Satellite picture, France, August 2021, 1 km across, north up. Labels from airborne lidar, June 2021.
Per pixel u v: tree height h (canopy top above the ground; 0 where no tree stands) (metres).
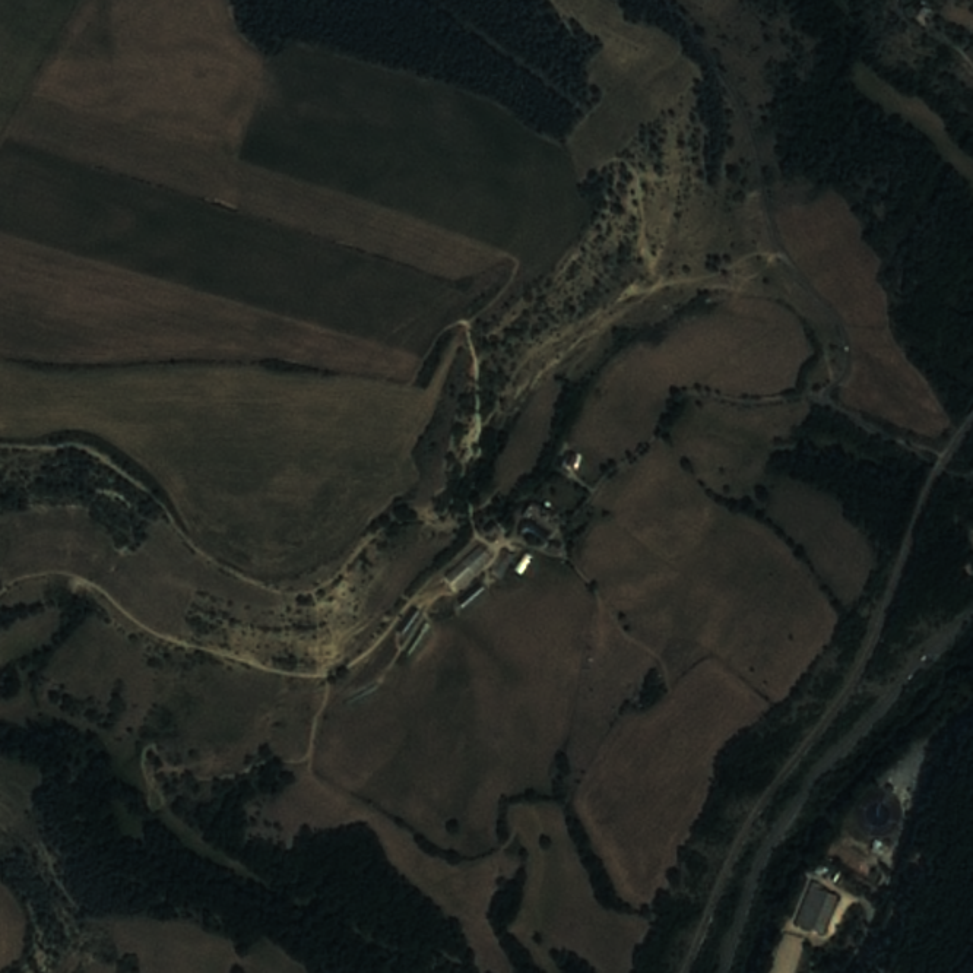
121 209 0
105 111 0
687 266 6
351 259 0
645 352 0
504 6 15
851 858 0
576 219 0
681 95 0
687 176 0
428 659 0
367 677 0
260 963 0
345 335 0
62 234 0
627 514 0
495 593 0
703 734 0
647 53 0
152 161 0
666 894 11
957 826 16
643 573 0
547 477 9
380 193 0
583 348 0
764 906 8
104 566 0
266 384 0
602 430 0
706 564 0
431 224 0
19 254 0
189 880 13
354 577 0
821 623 0
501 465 0
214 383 0
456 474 8
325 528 0
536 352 0
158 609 0
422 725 0
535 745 0
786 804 8
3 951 0
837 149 8
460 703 0
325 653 0
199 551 0
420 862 0
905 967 14
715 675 0
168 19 0
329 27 12
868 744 19
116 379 0
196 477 0
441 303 0
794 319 0
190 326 0
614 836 0
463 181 0
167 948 0
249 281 0
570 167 0
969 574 12
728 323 0
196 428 0
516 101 7
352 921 15
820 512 0
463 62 11
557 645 0
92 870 18
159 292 0
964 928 14
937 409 0
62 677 0
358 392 0
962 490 13
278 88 0
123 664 0
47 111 0
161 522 0
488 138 0
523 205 0
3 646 0
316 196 0
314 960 16
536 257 0
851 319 0
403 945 16
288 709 0
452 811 0
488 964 0
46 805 14
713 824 16
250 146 0
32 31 0
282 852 11
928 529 14
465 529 9
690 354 0
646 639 0
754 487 0
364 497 0
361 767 0
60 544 0
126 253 0
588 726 0
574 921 0
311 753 0
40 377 0
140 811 25
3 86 0
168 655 7
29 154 0
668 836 0
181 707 0
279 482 0
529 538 11
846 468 16
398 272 0
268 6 14
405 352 0
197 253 0
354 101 0
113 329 0
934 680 10
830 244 0
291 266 0
